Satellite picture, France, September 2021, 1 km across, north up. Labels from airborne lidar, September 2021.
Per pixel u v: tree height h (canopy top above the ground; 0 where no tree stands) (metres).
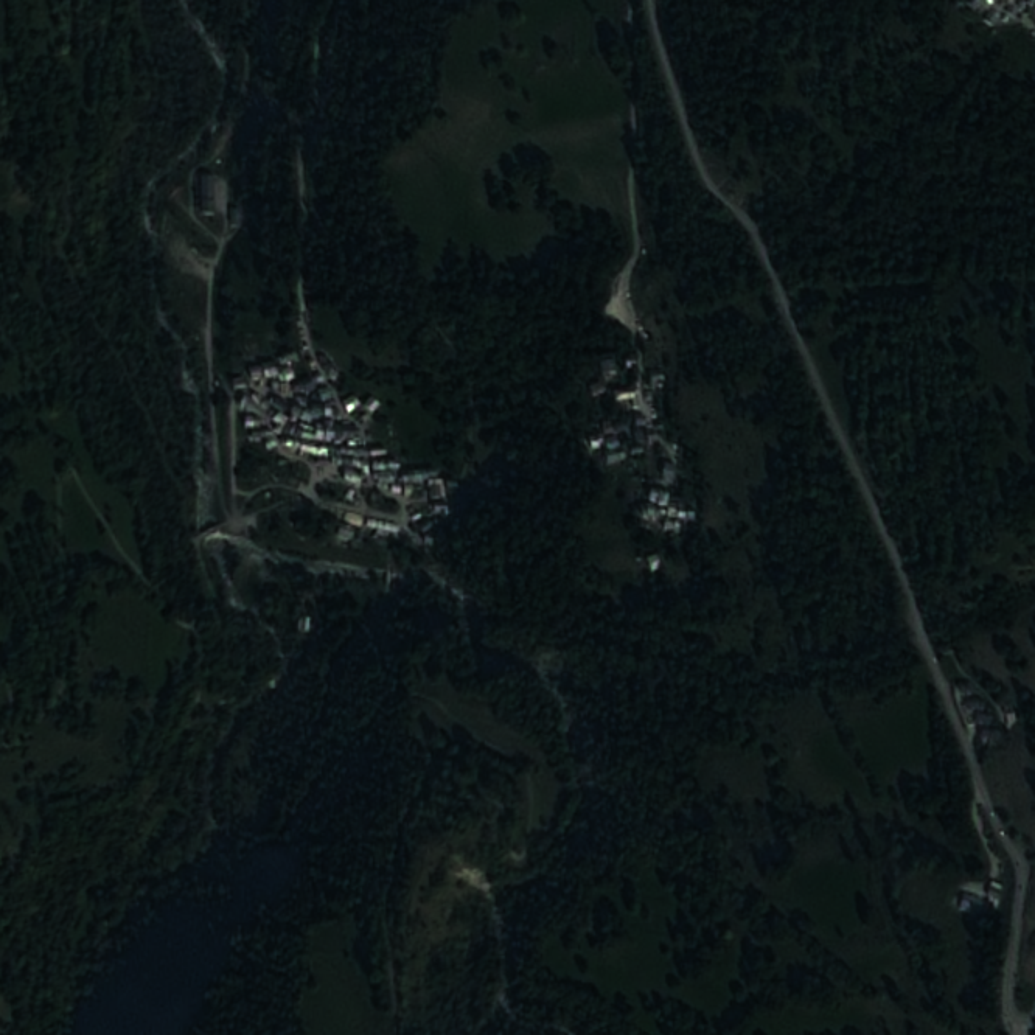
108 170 10
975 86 23
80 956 7
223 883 12
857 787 0
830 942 0
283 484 0
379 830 13
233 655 12
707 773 0
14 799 0
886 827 13
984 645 0
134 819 20
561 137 0
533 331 14
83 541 0
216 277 0
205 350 0
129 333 19
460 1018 13
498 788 21
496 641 14
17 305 15
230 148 0
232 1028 9
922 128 24
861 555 18
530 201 0
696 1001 0
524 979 15
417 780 12
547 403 20
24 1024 18
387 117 25
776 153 16
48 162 14
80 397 17
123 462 19
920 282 18
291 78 9
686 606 24
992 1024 21
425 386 19
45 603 12
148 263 7
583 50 0
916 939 18
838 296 0
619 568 0
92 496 0
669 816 11
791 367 20
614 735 15
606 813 9
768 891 0
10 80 20
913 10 26
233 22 10
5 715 10
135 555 0
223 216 0
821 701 0
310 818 11
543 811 0
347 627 13
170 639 0
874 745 0
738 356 21
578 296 22
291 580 11
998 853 14
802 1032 0
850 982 21
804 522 25
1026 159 19
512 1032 6
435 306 10
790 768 9
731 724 17
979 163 19
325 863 13
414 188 0
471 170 0
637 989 0
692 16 20
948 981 8
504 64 14
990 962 15
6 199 0
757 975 22
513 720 20
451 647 19
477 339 18
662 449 8
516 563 21
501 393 17
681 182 22
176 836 18
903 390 9
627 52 16
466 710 0
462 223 0
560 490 26
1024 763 0
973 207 17
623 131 0
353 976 0
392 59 25
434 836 11
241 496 0
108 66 14
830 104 16
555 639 9
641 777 16
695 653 16
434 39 12
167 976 11
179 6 15
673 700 17
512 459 27
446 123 14
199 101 10
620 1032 23
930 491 18
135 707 11
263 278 12
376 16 19
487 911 12
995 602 17
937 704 11
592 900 10
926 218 20
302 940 11
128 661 0
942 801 17
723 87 17
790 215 21
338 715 8
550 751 20
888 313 17
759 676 22
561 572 26
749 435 0
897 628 16
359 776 10
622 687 24
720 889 26
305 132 0
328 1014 0
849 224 18
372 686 11
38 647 22
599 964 0
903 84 24
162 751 14
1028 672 12
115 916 28
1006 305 16
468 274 17
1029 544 16
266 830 14
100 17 20
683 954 0
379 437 0
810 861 0
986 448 22
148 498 13
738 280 24
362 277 23
